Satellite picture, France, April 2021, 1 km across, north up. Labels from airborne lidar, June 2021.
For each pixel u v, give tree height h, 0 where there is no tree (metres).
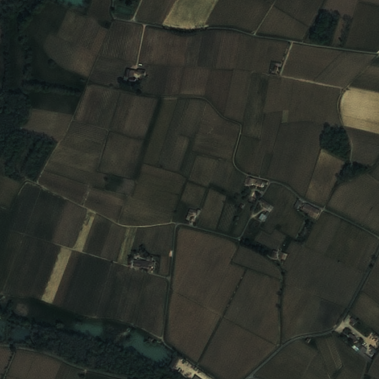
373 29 0
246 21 0
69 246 0
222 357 0
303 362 0
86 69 0
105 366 17
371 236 0
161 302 0
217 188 0
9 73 10
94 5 0
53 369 0
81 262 0
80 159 0
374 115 0
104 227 0
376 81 0
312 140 0
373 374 0
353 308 0
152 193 0
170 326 0
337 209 0
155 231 0
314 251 0
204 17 0
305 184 0
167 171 0
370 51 0
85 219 0
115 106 0
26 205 0
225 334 0
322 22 23
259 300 0
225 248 0
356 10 0
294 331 0
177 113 0
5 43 11
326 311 0
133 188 0
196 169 0
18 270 0
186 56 0
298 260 0
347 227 0
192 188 0
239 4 0
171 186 0
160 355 0
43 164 8
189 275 0
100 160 0
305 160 0
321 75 0
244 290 0
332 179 0
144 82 10
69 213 0
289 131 0
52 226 0
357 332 0
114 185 0
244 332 0
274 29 0
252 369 0
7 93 20
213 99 0
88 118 0
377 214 0
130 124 0
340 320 0
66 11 0
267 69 0
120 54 0
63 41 0
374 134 0
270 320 0
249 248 9
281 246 0
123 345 0
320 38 20
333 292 0
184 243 0
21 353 0
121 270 0
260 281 0
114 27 0
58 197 0
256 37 0
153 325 0
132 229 0
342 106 0
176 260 0
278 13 0
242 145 0
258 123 0
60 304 0
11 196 0
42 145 16
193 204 0
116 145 0
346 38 12
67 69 0
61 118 0
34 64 0
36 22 0
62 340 27
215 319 0
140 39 0
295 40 0
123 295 0
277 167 0
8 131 21
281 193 0
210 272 0
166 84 0
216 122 0
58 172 0
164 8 0
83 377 9
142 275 0
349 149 15
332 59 0
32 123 0
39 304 0
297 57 0
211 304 0
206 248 0
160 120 0
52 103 0
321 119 0
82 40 0
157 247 0
